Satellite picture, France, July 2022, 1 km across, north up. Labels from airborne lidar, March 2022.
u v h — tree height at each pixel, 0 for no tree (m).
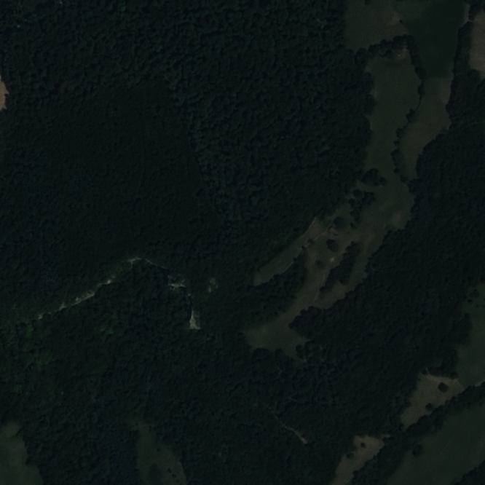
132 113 7
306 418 22
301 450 24
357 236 0
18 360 12
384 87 0
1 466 0
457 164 25
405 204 0
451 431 0
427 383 0
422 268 16
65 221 21
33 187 24
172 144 7
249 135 30
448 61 0
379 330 19
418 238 17
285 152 29
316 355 20
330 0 32
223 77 30
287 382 26
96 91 27
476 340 0
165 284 28
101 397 25
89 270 14
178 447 15
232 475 19
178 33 24
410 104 0
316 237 0
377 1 0
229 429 19
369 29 0
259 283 0
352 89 28
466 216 22
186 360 27
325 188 29
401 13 0
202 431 28
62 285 16
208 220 17
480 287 0
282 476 23
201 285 16
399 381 19
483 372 0
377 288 17
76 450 21
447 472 0
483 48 0
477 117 27
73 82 28
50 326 31
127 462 26
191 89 33
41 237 19
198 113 31
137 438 10
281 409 22
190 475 25
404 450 13
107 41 25
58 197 19
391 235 16
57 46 33
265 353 14
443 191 23
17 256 26
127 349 27
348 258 17
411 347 22
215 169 29
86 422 24
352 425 21
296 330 21
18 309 11
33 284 22
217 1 33
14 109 19
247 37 32
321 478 25
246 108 25
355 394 25
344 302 12
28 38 32
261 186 29
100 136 18
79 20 30
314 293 0
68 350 29
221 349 23
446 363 19
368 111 23
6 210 28
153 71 24
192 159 6
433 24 0
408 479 0
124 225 16
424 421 19
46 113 29
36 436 20
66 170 17
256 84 30
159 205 8
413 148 0
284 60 31
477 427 0
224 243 21
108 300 26
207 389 23
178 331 21
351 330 18
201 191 15
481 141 8
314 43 33
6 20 10
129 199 13
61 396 23
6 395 23
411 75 0
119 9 29
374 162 0
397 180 0
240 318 24
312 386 21
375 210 0
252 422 24
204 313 10
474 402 7
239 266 21
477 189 22
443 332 24
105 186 19
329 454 27
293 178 25
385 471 20
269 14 28
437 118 0
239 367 22
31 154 23
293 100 34
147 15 29
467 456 0
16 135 22
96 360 28
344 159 34
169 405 17
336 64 31
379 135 0
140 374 20
